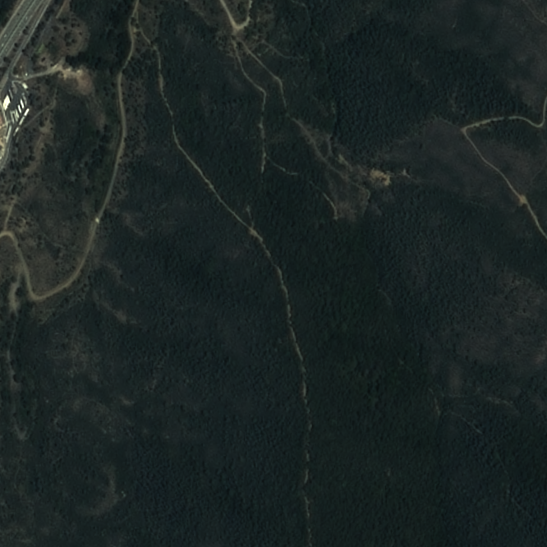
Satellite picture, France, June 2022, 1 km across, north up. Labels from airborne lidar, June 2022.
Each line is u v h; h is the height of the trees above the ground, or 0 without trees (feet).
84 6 36
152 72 31
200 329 22
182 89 31
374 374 44
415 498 38
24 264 0
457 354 33
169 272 36
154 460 37
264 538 37
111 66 42
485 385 30
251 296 28
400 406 46
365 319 35
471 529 26
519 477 22
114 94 29
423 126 27
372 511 43
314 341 29
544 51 0
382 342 44
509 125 41
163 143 21
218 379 24
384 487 45
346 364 44
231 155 28
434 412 29
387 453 26
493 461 45
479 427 41
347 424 36
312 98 36
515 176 0
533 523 41
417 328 29
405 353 20
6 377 34
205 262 38
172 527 40
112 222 22
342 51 28
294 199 32
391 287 31
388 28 37
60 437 33
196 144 24
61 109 0
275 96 21
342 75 50
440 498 33
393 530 21
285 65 19
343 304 50
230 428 37
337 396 38
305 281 24
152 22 0
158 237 20
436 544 51
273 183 37
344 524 26
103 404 28
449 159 0
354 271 34
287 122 30
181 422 24
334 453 23
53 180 0
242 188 39
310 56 45
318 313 37
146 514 38
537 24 0
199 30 25
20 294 40
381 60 35
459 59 47
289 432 28
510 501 24
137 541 46
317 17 39
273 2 25
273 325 17
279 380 31
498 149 0
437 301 37
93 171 46
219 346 22
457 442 25
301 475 35
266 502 27
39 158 0
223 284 38
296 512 28
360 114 42
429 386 23
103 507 0
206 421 30
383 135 23
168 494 52
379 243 24
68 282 0
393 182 24
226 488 30
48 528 0
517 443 37
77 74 0
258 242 27
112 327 21
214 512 21
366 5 43
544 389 23
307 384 22
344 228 25
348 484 32
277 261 27
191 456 23
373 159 33
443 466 21
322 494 36
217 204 35
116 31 44
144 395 21
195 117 23
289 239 37
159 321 21
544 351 0
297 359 26
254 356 25
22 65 0
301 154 18
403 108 26
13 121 0
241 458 26
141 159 27
